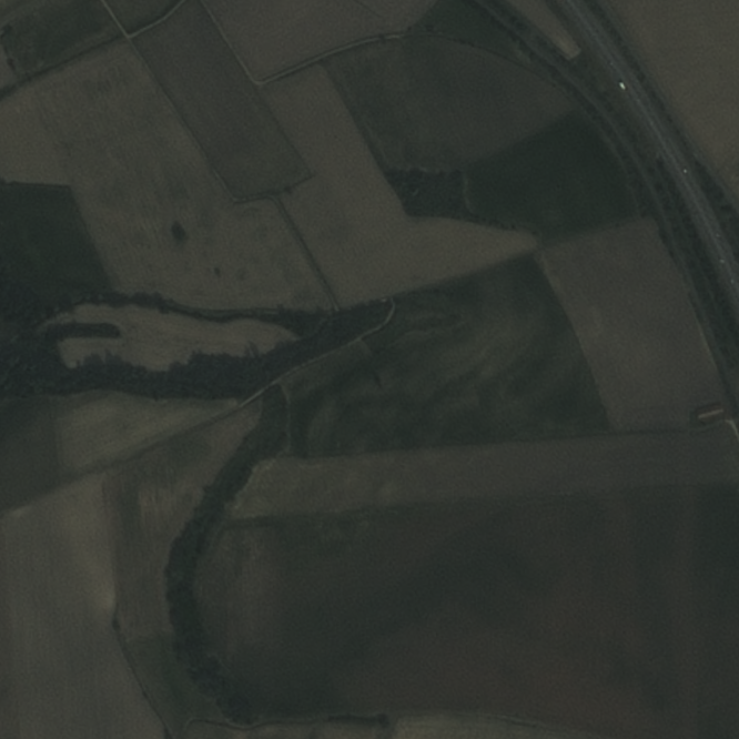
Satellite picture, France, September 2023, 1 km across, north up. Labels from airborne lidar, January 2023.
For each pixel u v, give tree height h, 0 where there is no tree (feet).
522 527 0
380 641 0
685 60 0
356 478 0
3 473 0
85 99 0
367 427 0
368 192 0
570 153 0
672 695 0
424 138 0
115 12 0
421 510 0
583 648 0
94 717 0
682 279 0
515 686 0
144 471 0
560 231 0
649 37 0
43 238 0
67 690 0
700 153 0
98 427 0
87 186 0
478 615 0
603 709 0
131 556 0
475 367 0
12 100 0
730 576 0
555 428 0
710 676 0
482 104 0
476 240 0
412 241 0
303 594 0
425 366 0
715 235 0
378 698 0
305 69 0
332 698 0
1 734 0
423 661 0
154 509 0
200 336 0
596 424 0
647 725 0
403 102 0
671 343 0
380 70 0
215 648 0
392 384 0
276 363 34
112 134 0
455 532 0
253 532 0
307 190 0
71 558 0
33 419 0
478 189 0
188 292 0
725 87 0
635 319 0
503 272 0
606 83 0
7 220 0
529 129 0
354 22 0
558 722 0
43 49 0
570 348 0
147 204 0
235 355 0
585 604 0
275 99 0
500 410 0
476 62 0
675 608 0
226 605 0
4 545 0
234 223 0
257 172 0
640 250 0
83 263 0
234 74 0
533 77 0
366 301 0
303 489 0
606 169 0
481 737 0
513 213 0
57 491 0
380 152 0
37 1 0
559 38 0
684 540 0
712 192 30
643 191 21
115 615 0
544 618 0
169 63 0
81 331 27
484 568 0
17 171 0
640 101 0
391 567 0
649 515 0
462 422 0
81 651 0
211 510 33
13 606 0
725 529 0
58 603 0
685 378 0
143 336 0
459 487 0
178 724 0
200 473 0
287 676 0
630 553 0
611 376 0
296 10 0
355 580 0
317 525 0
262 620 0
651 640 0
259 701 0
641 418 0
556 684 0
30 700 0
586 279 0
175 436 0
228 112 0
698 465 0
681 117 0
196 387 62
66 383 40
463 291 0
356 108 0
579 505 0
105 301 27
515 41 48
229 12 0
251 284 0
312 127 0
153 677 0
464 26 0
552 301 0
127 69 0
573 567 0
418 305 0
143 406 0
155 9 0
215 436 0
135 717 0
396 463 0
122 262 0
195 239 0
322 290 0
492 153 0
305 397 0
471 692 0
